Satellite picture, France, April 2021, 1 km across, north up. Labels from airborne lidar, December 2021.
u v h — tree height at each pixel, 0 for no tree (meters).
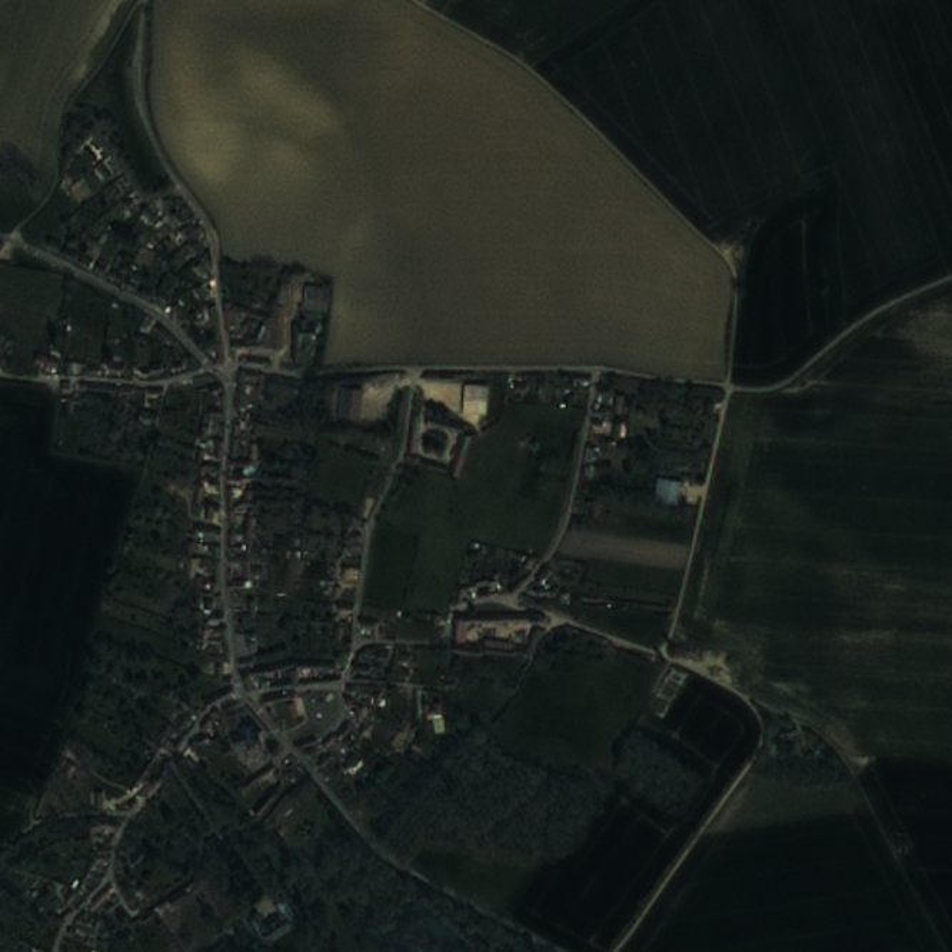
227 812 26
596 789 21
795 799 0
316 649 0
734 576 0
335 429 17
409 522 0
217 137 0
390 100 0
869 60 0
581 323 0
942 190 0
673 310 0
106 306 0
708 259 0
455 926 21
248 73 0
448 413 17
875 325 0
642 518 0
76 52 0
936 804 0
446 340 0
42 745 0
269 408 11
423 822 35
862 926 0
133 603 0
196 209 0
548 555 0
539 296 0
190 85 0
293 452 10
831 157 0
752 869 0
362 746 0
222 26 0
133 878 7
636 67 0
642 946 0
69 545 0
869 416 0
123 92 0
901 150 0
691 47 0
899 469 0
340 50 0
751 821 0
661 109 0
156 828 0
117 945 11
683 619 0
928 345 0
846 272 0
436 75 0
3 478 0
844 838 0
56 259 0
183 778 21
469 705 0
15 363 13
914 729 0
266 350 0
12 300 0
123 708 14
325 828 0
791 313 0
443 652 17
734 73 0
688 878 0
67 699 0
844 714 0
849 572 0
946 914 0
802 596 0
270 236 0
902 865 0
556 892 0
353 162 0
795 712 0
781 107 0
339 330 0
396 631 0
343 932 0
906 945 0
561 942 0
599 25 0
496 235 0
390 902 30
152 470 0
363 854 29
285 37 0
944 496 0
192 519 0
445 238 0
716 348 0
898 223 0
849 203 0
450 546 0
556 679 0
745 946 0
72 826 8
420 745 8
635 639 0
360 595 0
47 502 0
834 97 0
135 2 0
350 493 0
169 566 0
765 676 0
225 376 0
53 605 0
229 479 0
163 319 0
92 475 0
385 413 0
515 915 0
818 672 0
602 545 0
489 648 0
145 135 0
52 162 0
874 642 0
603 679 0
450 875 0
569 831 27
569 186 0
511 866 0
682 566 0
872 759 0
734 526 0
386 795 14
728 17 0
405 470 7
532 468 0
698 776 17
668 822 0
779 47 0
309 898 20
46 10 0
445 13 0
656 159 0
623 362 0
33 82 0
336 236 0
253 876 16
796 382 0
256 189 0
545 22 0
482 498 0
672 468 8
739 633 0
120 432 9
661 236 0
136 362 0
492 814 35
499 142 0
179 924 0
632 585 0
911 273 0
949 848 0
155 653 15
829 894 0
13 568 0
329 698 0
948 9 0
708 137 0
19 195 25
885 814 0
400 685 0
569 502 0
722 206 0
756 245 0
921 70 0
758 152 0
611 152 0
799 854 0
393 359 0
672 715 0
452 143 0
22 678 0
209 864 19
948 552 0
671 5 0
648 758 22
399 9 0
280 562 11
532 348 0
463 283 0
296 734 0
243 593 0
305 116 0
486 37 0
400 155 0
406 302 0
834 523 0
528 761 19
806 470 0
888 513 0
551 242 0
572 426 0
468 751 24
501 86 0
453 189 0
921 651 0
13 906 18
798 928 0
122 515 0
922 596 0
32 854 15
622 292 0
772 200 0
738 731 0
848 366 0
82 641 0
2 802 0
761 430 0
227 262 9
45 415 0
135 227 8
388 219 0
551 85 0
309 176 0
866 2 0
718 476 0
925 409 0
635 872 0
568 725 0
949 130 0
